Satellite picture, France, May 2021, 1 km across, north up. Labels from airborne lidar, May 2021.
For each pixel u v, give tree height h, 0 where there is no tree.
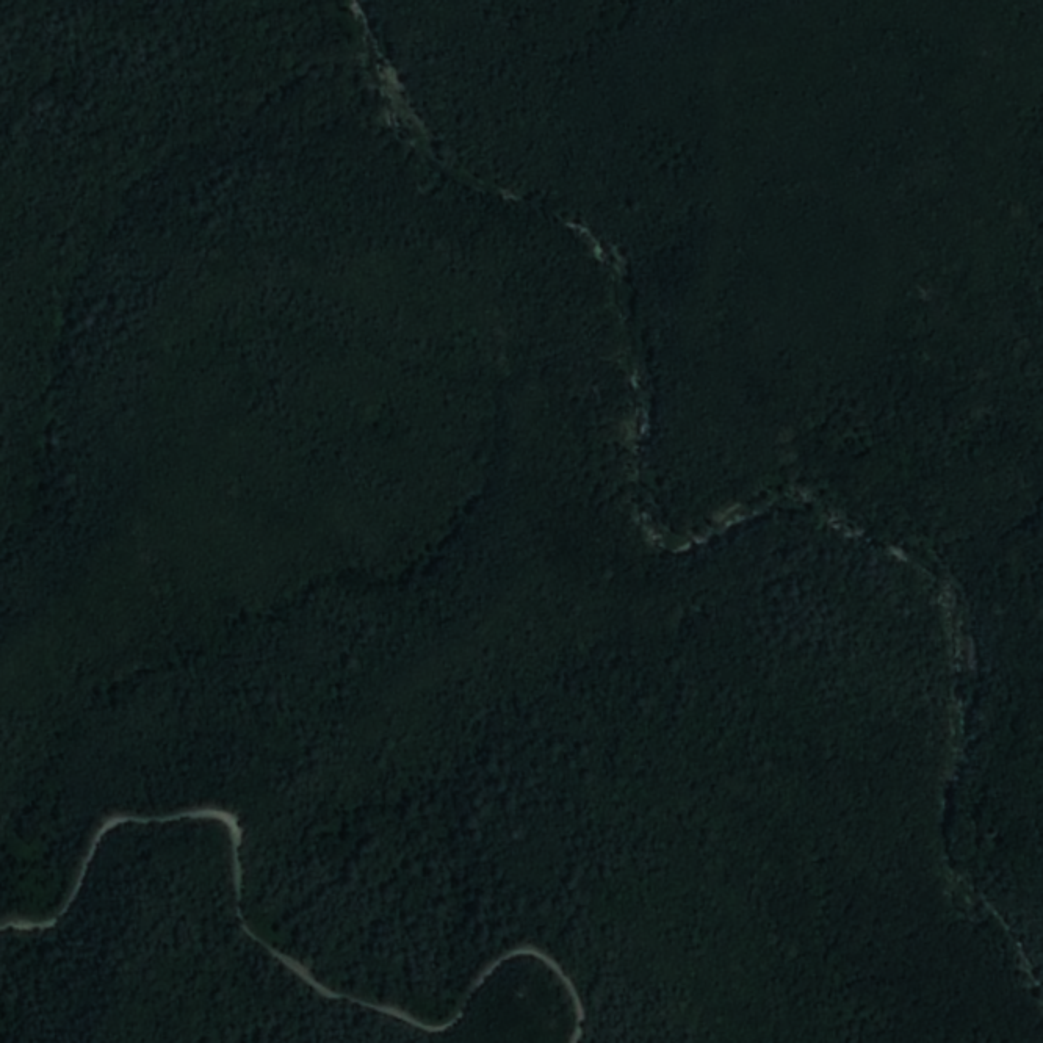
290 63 13
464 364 10
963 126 7
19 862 17
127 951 10
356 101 13
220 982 16
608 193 8
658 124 8
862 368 8
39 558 12
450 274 9
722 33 6
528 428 6
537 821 10
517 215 26
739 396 8
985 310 9
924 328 7
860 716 16
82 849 13
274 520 8
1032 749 17
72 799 10
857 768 17
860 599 10
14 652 6
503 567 9
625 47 6
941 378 15
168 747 13
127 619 8
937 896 21
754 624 12
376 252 11
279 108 21
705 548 19
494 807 9
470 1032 7
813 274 7
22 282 9
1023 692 10
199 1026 9
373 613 11
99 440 12
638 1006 19
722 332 12
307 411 10
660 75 7
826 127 6
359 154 17
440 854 23
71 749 8
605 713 16
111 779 7
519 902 21
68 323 10
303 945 15
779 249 6
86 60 25
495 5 14
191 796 10
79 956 20
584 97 7
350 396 8
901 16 7
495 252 8
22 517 19
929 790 21
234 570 10
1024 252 10
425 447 9
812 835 14
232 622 22
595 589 14
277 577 13
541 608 11
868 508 13
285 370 12
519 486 10
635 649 20
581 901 20
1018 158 8
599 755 12
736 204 6
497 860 13
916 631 14
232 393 8
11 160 19
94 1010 17
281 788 15
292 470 9
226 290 7
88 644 8
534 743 17
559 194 10
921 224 11
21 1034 11
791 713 13
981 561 15
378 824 16
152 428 8
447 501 14
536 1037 6
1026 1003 21
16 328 12
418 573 19
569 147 10
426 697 17
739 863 7
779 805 10
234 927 23
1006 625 9
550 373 14
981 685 17
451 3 9
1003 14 6
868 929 18
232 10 13
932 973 21
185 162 19
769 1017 7
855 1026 15
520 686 11
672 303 6
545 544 13
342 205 14
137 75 21
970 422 10
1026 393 16
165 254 7
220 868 10
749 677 9
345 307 14
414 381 8
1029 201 10
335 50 17
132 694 9
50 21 20
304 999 19
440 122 13
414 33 9
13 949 12
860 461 18
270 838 6
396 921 18
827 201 6
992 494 8
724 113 6
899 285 10
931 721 20
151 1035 8
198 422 8
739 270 9
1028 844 22
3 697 7
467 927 16
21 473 16
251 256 8
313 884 21
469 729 21
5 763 7
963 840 26
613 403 17
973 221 10
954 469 10
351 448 9
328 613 8
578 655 18
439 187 12
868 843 17
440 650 7
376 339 8
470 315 6
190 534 7
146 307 18
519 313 6
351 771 15
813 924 16
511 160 9
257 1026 12
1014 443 15
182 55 11
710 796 8
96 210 18
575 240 21
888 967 21
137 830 7
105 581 9
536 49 14
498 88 7
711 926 9
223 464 8
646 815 9
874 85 8
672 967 7
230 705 10
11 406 9
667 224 6
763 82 7
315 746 15
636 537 17
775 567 21
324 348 10
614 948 7
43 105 22
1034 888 9
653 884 12
